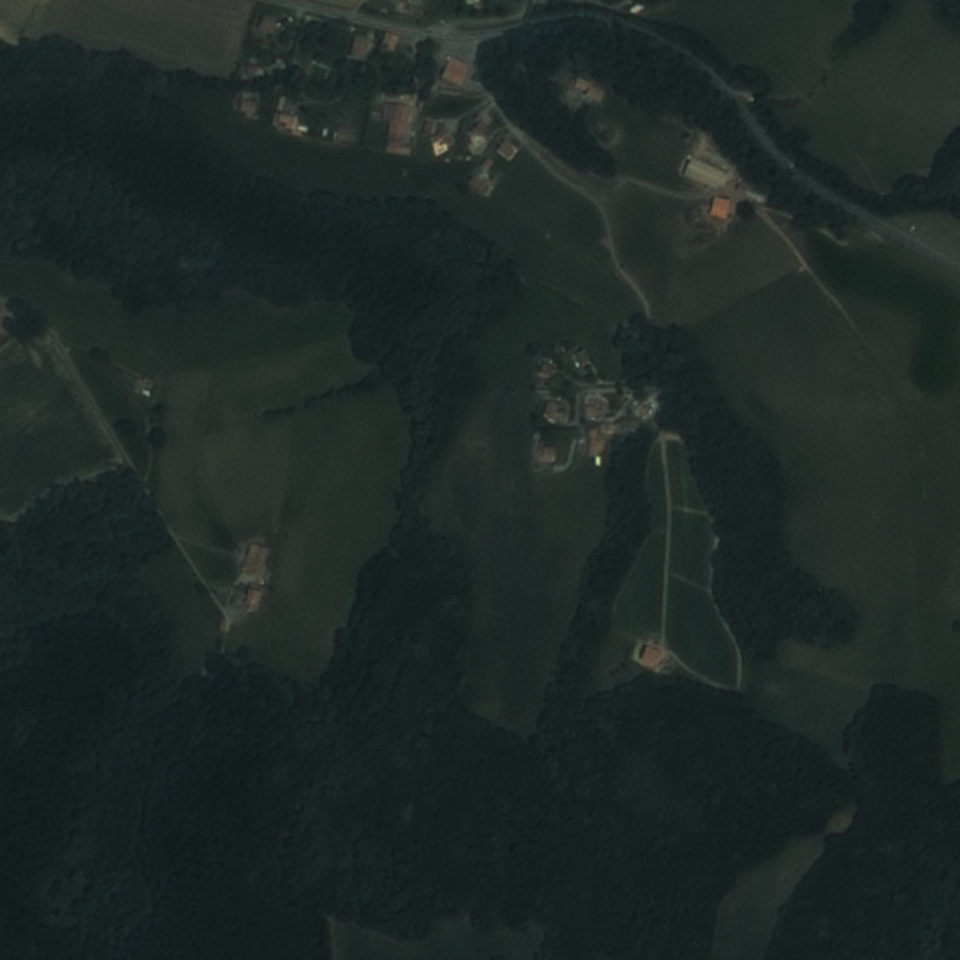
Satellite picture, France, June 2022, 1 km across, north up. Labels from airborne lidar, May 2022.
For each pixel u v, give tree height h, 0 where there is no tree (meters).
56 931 28
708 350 0
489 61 15
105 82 18
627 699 15
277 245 24
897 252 0
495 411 0
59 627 8
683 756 11
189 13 0
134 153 27
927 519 0
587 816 20
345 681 9
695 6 0
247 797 16
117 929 7
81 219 22
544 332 0
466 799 14
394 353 25
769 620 16
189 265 17
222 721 14
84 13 0
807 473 0
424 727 27
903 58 0
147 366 0
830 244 0
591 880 17
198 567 0
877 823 13
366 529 0
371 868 21
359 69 19
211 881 16
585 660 12
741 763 16
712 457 17
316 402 9
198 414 0
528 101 26
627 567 15
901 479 0
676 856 10
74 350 0
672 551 0
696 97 25
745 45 0
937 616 0
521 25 0
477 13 9
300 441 0
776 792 12
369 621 25
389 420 0
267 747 13
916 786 15
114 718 11
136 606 25
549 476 0
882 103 0
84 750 18
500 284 19
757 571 14
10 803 17
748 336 0
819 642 16
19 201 17
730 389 0
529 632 0
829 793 14
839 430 0
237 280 15
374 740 13
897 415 0
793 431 0
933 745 19
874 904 20
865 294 0
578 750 15
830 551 0
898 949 12
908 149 0
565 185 0
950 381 0
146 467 0
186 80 13
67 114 26
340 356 0
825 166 16
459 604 18
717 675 0
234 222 21
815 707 0
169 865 14
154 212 20
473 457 0
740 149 16
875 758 15
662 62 26
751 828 16
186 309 16
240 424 0
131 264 18
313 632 0
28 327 23
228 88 14
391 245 24
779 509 12
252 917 20
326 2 0
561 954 16
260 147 0
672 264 0
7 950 22
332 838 16
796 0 0
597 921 19
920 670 0
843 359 0
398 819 13
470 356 13
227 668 27
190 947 20
